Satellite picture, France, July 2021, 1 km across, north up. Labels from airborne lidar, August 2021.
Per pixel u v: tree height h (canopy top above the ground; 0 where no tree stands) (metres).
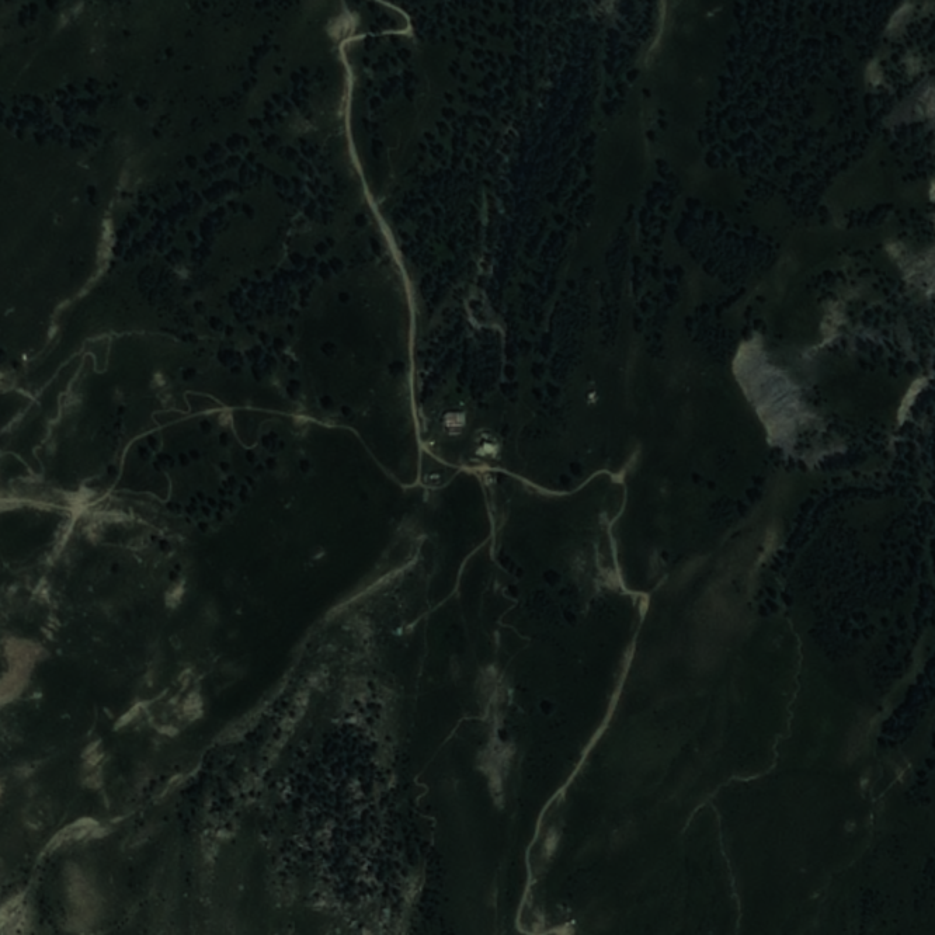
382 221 0
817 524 8
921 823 0
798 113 7
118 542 0
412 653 0
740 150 22
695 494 0
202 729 0
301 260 24
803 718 0
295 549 0
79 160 0
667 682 0
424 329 0
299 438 0
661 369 0
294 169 0
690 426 0
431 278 18
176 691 0
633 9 16
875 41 10
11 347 0
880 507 0
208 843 0
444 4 15
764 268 7
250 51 0
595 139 19
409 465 0
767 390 0
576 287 15
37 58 0
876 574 15
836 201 0
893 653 15
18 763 0
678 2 0
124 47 0
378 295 0
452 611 0
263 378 16
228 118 0
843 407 0
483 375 13
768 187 9
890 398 0
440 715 0
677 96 0
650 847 0
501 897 0
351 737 8
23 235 0
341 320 0
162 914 0
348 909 0
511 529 0
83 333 0
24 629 0
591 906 0
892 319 18
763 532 0
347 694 0
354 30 0
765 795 0
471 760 0
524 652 0
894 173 0
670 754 0
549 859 0
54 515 0
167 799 0
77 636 0
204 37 0
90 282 0
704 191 0
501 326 0
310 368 0
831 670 0
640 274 13
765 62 13
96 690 0
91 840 0
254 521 0
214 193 16
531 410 0
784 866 0
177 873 0
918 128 19
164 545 15
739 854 0
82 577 0
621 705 0
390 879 7
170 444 0
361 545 0
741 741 0
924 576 18
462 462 0
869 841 0
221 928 0
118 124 0
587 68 17
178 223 18
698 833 0
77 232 0
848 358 0
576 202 12
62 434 0
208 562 0
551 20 20
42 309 0
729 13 0
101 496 0
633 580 0
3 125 12
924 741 0
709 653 0
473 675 0
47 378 0
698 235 22
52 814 0
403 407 0
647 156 0
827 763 0
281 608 0
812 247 0
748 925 0
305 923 0
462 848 0
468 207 18
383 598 0
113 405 0
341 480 0
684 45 0
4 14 0
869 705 0
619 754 0
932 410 22
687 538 0
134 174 0
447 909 0
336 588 0
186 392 0
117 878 0
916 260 0
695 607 0
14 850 0
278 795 0
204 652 0
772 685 0
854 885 0
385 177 0
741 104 12
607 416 0
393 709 0
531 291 15
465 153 22
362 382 0
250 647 0
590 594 0
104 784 0
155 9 0
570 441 0
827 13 14
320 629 0
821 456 0
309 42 0
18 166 0
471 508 0
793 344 0
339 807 12
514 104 18
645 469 0
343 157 0
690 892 0
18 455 0
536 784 0
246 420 0
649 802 0
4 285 0
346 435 0
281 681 0
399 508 0
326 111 0
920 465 17
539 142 15
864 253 9
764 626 0
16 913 0
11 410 0
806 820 0
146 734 0
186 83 0
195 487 0
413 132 0
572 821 0
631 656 0
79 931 0
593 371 0
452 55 0
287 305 24
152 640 0
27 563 0
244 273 0
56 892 0
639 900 0
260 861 0
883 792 0
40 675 0
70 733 0
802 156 9
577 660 0
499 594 0
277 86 0
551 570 0
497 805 0
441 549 0
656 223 10
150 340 0
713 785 0
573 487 13
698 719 0
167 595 0
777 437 0
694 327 15
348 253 0
